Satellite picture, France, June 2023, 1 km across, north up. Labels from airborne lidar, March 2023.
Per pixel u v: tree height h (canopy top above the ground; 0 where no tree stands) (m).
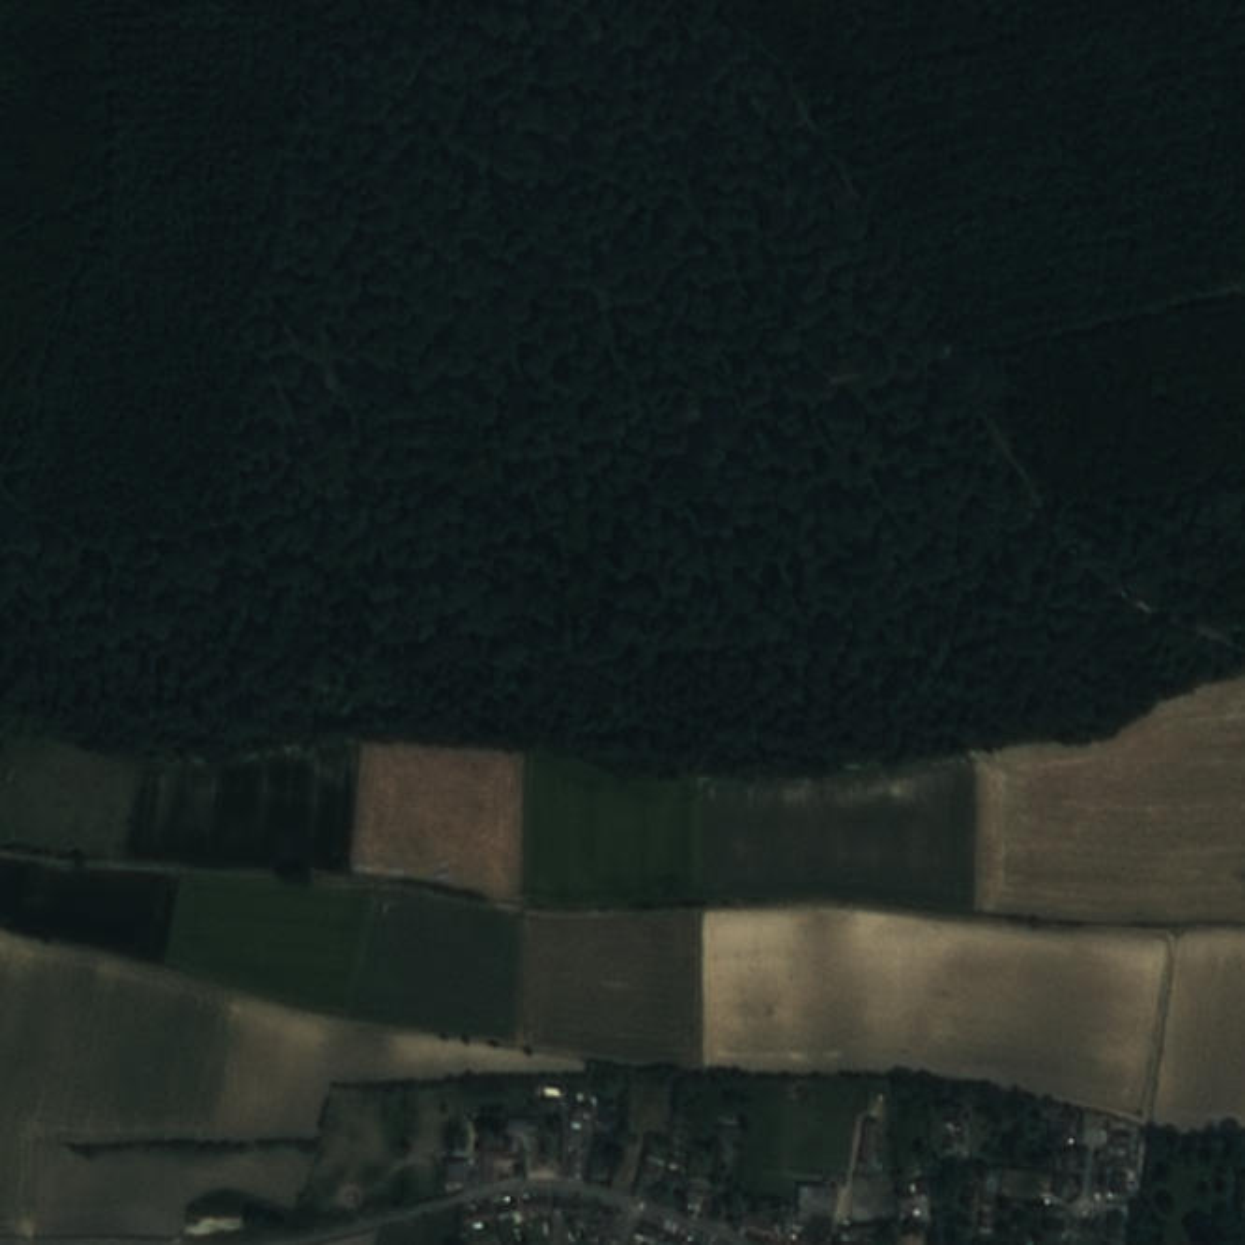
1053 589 32
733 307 31
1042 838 0
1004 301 17
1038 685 17
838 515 30
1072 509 12
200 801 0
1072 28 17
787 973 0
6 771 0
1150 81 16
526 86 34
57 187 6
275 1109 0
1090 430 11
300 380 32
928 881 0
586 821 0
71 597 24
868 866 0
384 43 31
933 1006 0
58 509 16
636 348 27
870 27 9
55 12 8
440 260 29
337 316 27
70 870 0
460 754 0
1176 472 11
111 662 30
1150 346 10
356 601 8
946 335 17
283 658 21
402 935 0
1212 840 0
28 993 0
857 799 0
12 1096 0
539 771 0
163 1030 0
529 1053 6
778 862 0
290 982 0
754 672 27
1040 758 0
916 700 18
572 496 33
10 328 7
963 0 11
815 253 32
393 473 27
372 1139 0
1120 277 17
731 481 31
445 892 5
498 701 16
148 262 17
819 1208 0
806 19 8
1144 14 15
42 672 26
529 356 30
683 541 31
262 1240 0
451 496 31
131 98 16
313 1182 0
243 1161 0
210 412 17
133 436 17
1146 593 12
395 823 0
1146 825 0
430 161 32
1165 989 0
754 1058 0
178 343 15
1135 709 13
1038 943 0
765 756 23
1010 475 9
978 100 16
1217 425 9
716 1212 7
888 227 20
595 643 30
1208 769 0
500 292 29
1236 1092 0
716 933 0
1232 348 9
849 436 23
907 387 25
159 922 0
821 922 0
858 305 31
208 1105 0
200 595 25
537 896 0
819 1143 0
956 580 30
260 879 0
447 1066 0
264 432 30
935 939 0
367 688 9
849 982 0
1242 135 11
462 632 32
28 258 7
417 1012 0
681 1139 0
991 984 0
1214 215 16
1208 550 19
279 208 32
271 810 0
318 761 0
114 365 16
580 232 26
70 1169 0
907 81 16
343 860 0
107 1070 0
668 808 0
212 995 0
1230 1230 23
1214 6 16
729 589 32
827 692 15
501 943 0
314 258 31
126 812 0
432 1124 0
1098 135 16
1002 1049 0
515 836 0
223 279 17
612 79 35
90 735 20
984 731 23
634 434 28
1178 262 17
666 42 35
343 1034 0
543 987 0
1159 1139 21
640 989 0
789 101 29
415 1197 0
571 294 30
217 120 17
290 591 30
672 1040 0
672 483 34
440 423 30
